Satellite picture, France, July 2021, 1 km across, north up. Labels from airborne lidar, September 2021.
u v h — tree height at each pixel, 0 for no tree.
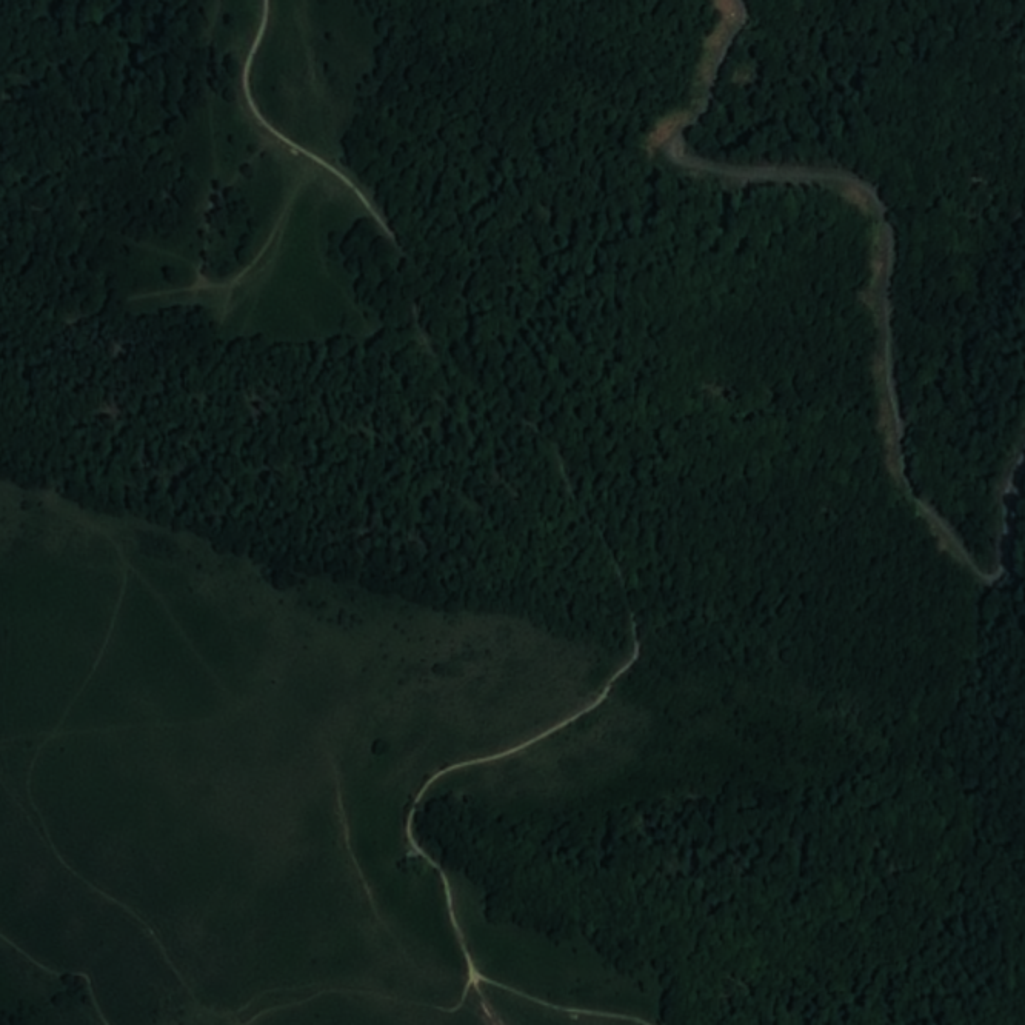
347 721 0
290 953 0
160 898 0
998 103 25
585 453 8
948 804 27
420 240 23
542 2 22
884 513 27
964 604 20
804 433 28
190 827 0
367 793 0
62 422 25
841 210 23
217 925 0
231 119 0
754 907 31
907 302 26
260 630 0
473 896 0
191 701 0
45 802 0
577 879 30
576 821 10
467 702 0
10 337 21
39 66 24
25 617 0
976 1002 30
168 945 0
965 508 31
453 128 28
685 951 21
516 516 19
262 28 0
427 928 0
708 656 19
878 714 13
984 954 27
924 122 27
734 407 25
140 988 0
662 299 29
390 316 17
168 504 18
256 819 0
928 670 16
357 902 0
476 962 0
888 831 25
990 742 27
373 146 14
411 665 0
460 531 27
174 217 19
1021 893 22
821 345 15
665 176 25
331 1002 0
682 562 20
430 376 27
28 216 23
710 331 24
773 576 20
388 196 18
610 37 21
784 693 6
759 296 24
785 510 27
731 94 31
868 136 27
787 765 13
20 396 28
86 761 0
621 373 23
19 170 19
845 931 20
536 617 13
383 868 0
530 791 0
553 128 23
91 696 0
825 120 24
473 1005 0
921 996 31
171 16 30
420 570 17
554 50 16
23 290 23
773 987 35
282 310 0
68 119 20
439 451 22
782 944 25
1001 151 27
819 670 19
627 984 0
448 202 26
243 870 0
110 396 23
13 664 0
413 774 0
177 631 0
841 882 22
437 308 32
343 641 0
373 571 14
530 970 0
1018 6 32
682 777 6
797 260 22
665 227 31
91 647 0
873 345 22
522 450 20
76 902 0
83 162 22
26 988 0
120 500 21
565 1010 0
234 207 12
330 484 23
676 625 24
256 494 23
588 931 20
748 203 25
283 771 0
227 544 17
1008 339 27
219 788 0
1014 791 24
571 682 0
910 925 18
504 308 30
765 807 29
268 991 0
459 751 0
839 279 23
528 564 22
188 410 24
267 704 0
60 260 19
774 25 28
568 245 27
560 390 26
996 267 29
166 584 0
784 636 17
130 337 26
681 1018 22
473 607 11
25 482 15
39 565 0
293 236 0
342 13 0
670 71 20
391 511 23
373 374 23
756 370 20
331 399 21
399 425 21
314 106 0
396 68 18
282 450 21
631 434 28
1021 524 23
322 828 0
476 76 16
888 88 35
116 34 36
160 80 27
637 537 23
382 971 0
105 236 20
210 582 0
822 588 15
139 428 17
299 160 0
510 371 30
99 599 0
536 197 30
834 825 31
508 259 24
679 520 20
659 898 19
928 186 33
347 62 0
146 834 0
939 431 34
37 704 0
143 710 0
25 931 0
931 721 21
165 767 0
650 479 7
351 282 0
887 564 19
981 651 14
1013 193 17
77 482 21
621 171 25
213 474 22
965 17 37
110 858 0
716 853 31
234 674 0
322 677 0
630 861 29
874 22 32
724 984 28
